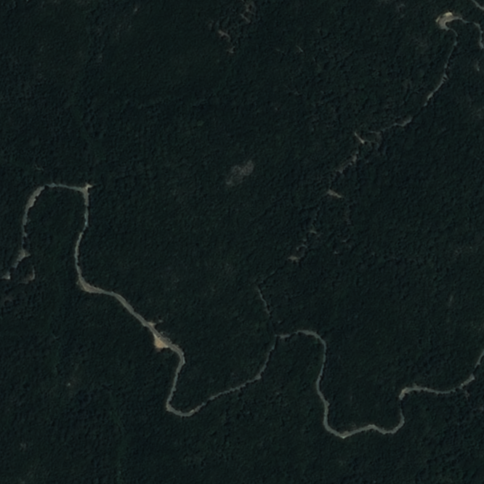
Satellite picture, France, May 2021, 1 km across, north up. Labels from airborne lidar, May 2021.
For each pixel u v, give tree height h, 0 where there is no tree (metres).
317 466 11
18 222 13
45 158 14
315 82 15
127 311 11
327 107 16
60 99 13
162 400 10
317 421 16
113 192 14
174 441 10
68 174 14
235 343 13
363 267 21
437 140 11
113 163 15
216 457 17
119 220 12
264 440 14
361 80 20
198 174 12
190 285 13
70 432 22
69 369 6
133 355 15
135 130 9
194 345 11
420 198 15
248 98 15
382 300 10
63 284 21
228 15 19
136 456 12
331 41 16
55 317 18
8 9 11
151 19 8
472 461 19
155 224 13
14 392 26
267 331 20
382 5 9
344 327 12
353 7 14
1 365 23
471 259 11
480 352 13
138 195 9
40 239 18
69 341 13
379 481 13
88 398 18
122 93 14
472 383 7
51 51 8
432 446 22
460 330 11
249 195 11
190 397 7
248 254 9
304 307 10
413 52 8
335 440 10
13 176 13
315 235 15
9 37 11
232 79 12
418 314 7
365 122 21
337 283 13
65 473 19
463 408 14
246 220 12
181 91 14
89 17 14
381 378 11
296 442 9
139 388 7
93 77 8
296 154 15
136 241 8
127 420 14
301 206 7
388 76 15
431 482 17
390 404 19
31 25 9
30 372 18
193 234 9
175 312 8
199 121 15
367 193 19
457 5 11
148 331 16
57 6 6
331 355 13
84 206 13
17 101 15
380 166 24
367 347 11
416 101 18
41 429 14
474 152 11
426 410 25
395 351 19
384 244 10
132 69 11
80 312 5
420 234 14
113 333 18
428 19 9
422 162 9
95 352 9
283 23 10
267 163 9
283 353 20
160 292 10
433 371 19
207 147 16
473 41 9
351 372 14
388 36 19
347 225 15
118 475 17
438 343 15
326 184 10
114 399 17
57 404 17
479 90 22
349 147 15
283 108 13
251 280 17
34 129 13
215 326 15
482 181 7
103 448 16
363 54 24
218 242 12
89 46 15
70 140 13
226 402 18
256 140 8
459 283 9
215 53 6
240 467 14
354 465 21
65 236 16
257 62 6
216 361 13
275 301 18
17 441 14
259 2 17
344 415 12
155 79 7
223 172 15
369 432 14
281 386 17
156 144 11
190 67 9
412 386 17
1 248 14
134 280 7
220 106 12
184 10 12
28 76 13
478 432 15
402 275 16
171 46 10
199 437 15
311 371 14
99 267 10
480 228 9
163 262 10
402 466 18
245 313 15
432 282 16
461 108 9
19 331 22
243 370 13
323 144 7
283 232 12
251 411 12
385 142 17
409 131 20
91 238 7
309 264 12
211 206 12
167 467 15
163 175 12
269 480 23
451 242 9
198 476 15
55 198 16
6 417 19
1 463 14
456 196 10
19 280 17
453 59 15
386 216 9
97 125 9
